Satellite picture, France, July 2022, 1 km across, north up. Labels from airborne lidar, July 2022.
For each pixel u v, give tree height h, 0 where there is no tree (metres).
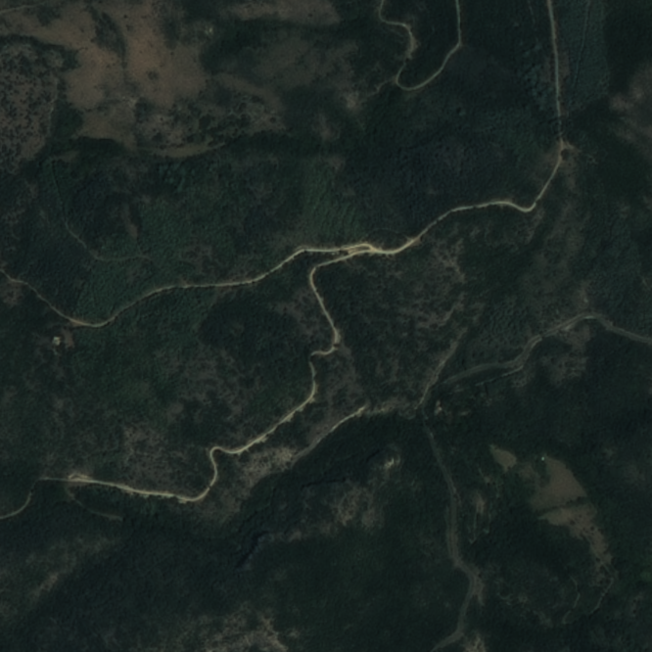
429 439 9
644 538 6
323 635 8
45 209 9
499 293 6
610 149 6
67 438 5
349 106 0
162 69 0
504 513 7
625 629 7
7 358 6
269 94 0
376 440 13
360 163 9
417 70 12
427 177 9
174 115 6
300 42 0
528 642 11
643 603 9
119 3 0
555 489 0
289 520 8
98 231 7
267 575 6
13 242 7
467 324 7
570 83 9
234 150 6
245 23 7
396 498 12
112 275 7
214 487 5
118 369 6
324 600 7
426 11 7
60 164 10
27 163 11
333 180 6
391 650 7
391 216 6
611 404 6
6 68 7
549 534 7
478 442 11
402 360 9
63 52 5
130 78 0
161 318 8
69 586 9
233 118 6
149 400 9
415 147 11
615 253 8
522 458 6
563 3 8
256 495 8
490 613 7
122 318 7
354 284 9
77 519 6
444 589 6
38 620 9
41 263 10
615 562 12
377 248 0
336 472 7
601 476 11
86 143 11
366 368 8
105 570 7
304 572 9
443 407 19
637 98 0
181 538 8
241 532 9
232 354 7
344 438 6
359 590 8
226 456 6
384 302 7
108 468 9
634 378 6
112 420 6
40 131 6
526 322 11
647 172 8
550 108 9
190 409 6
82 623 6
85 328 10
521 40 10
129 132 0
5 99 7
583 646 10
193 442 7
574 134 7
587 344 6
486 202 5
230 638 7
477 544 11
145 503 8
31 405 6
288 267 9
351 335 10
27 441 9
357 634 6
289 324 6
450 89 7
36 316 5
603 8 9
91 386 6
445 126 6
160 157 8
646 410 12
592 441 7
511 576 7
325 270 12
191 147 0
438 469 8
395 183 12
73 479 0
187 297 11
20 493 9
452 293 8
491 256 8
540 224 8
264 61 0
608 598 9
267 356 11
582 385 9
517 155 6
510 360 8
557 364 12
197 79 0
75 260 10
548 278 6
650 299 5
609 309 7
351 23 15
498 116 7
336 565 9
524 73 9
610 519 7
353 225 6
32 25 0
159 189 7
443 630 6
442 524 8
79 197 11
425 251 6
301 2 0
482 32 7
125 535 9
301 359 8
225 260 6
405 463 9
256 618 6
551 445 7
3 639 6
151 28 0
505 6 9
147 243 7
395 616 7
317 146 7
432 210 7
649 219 9
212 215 7
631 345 6
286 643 8
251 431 5
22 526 10
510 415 9
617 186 6
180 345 7
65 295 9
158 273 9
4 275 7
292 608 7
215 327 11
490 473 11
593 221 7
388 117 7
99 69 0
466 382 7
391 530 9
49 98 6
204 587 6
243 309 10
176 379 6
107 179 8
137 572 6
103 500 9
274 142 8
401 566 8
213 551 10
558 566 9
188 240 6
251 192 8
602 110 6
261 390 5
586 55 9
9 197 6
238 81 0
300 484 9
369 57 6
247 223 8
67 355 6
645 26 9
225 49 6
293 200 5
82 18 0
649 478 0
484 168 7
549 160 0
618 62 5
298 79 0
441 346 5
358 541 6
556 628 10
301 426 7
